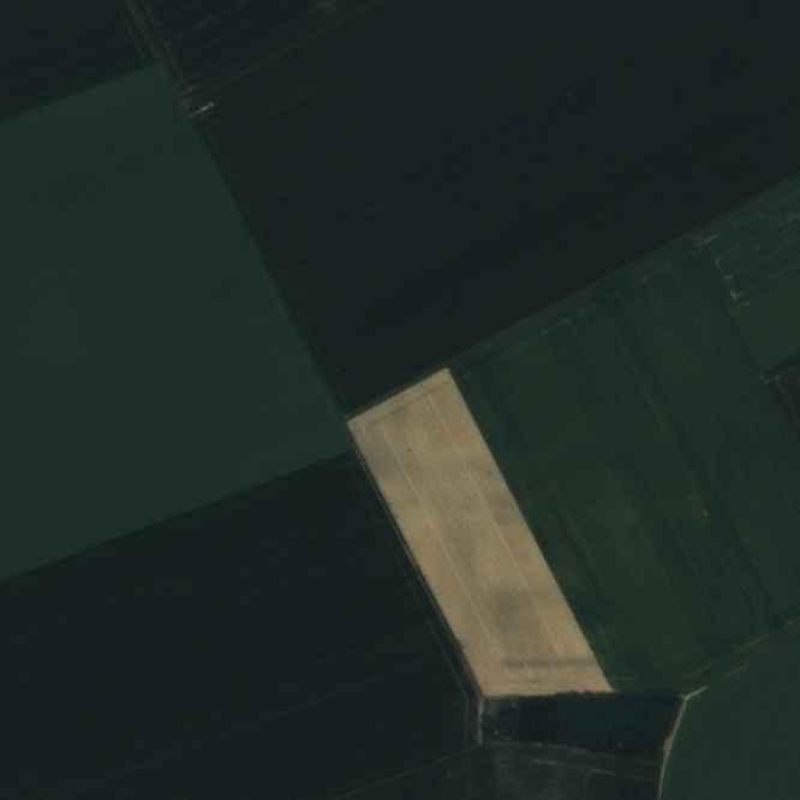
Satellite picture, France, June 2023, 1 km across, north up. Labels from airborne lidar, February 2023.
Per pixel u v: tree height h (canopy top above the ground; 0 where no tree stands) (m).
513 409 0
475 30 0
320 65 0
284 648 0
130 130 0
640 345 0
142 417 0
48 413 0
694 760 0
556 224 0
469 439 0
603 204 0
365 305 0
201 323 0
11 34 0
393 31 0
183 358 0
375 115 0
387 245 0
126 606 0
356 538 0
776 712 0
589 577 0
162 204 0
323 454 0
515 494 0
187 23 0
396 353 0
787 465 0
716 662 0
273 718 0
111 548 0
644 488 0
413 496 0
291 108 0
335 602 0
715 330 0
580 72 0
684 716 0
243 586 0
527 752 0
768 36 0
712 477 0
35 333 0
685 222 0
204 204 0
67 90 0
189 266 0
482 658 0
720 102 0
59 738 0
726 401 0
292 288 0
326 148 0
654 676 0
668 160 0
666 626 0
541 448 0
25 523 0
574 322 0
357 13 0
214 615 0
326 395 0
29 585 0
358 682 0
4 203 0
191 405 0
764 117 0
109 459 0
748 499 0
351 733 0
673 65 0
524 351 0
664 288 0
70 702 0
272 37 0
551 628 0
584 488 0
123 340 0
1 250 0
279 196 0
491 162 0
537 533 0
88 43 0
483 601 0
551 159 0
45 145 0
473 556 0
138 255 0
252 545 0
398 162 0
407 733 0
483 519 0
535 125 0
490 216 0
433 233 0
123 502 0
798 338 0
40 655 0
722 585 0
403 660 0
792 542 0
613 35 0
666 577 0
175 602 0
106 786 0
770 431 0
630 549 0
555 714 9
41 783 0
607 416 0
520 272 0
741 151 0
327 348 0
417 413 0
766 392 0
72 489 0
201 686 0
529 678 0
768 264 0
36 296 0
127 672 0
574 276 0
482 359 0
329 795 0
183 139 0
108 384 0
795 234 0
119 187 0
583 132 0
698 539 0
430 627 0
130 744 0
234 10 0
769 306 0
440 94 0
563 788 0
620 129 0
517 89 0
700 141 0
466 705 0
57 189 0
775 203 0
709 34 0
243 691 0
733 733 0
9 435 0
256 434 0
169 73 0
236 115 0
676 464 0
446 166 0
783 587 0
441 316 0
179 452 0
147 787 0
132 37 0
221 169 0
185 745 0
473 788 0
